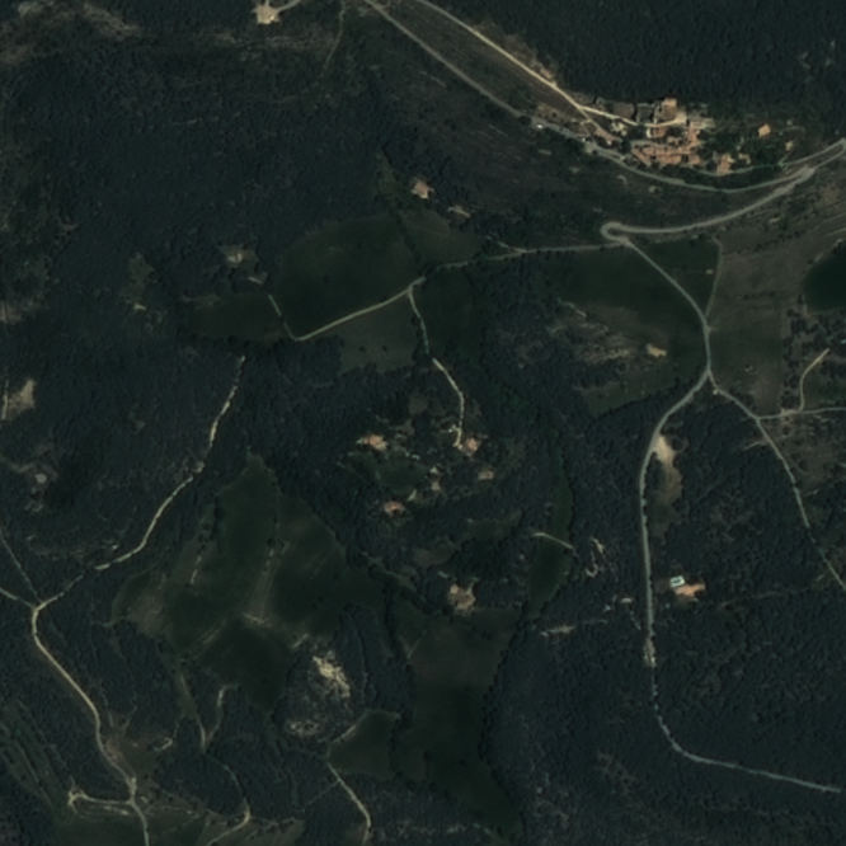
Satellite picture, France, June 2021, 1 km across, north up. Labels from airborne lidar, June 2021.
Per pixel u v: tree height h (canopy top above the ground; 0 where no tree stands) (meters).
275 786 10
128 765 0
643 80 13
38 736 9
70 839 0
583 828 5
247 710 8
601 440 7
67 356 8
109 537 7
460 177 9
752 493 9
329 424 7
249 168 9
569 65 7
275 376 8
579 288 0
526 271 11
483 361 9
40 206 12
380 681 13
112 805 0
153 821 0
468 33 0
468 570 12
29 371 8
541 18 10
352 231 0
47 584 7
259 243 9
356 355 0
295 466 15
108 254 10
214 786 9
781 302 0
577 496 9
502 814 0
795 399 6
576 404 11
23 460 7
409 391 6
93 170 11
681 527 9
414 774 0
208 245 10
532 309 7
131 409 7
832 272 0
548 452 9
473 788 0
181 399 10
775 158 8
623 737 12
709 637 14
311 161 10
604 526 7
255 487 0
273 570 0
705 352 0
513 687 8
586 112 0
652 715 13
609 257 0
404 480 0
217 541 7
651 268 0
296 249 0
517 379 10
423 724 0
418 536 11
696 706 13
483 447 8
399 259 0
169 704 9
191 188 11
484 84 0
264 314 0
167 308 8
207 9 6
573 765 10
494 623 0
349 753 0
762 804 12
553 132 8
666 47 11
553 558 0
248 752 7
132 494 8
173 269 14
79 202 13
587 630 10
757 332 0
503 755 11
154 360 12
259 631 0
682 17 13
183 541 10
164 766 7
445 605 11
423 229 0
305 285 0
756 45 11
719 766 12
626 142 10
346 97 8
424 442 9
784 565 12
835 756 15
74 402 11
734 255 0
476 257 9
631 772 9
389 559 11
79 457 7
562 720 11
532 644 10
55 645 9
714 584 12
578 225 6
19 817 8
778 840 7
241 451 12
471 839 9
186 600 0
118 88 14
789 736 19
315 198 10
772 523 11
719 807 12
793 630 9
